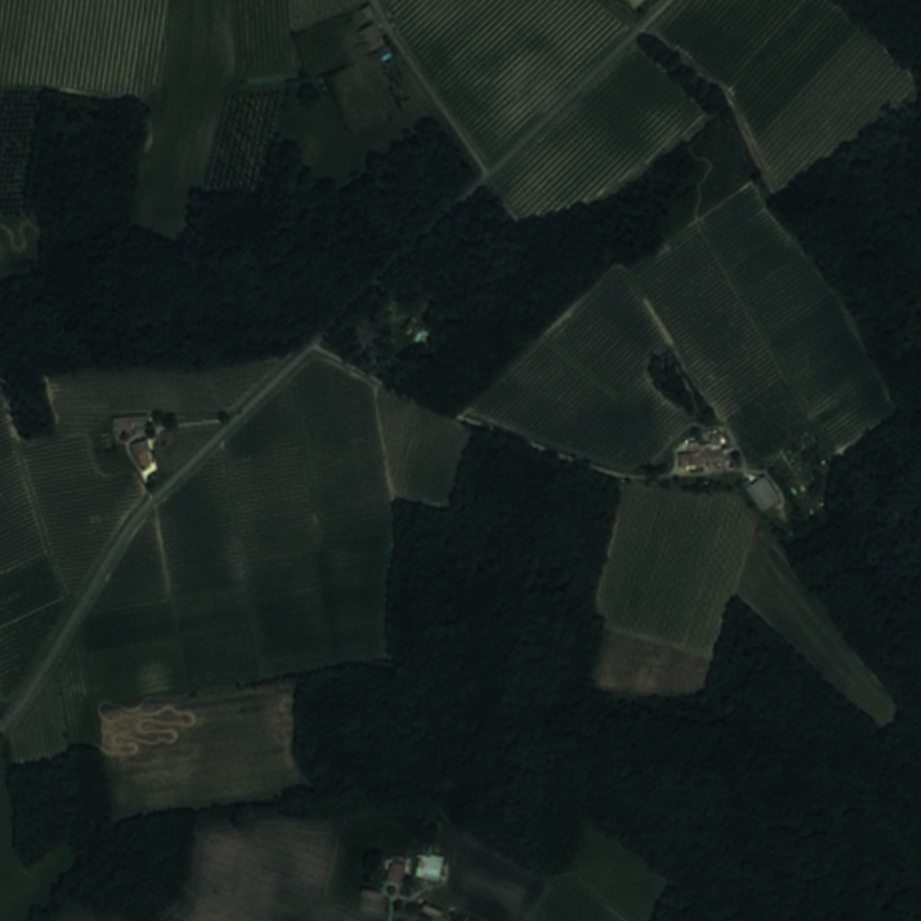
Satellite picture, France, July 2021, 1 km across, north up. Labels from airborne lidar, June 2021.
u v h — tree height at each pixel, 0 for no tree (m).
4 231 0
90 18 0
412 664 15
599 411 0
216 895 0
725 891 18
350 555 0
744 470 0
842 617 21
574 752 20
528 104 0
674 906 21
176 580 0
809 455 6
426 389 17
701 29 0
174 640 0
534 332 15
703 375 0
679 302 0
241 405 0
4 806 0
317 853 0
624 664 0
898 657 23
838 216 20
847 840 21
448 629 11
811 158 0
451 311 18
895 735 19
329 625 0
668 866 17
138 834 20
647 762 26
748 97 0
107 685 0
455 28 0
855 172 20
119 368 10
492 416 0
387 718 23
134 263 30
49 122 10
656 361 14
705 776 21
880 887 17
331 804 0
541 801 20
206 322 23
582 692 21
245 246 28
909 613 19
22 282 15
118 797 0
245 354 16
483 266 22
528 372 0
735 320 0
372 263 18
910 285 24
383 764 27
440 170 23
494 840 15
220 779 0
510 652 20
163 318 25
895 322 21
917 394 13
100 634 0
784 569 0
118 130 13
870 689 0
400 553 13
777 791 21
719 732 26
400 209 23
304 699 13
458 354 18
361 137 0
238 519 0
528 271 17
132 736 0
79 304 10
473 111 0
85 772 18
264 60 0
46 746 0
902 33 18
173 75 0
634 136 0
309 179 25
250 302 22
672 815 21
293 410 0
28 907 0
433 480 0
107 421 0
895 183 25
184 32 0
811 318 0
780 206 18
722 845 21
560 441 0
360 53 0
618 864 0
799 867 18
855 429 0
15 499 0
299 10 0
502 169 0
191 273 28
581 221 19
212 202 23
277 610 0
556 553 21
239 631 0
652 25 0
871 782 26
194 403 0
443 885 0
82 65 0
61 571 0
